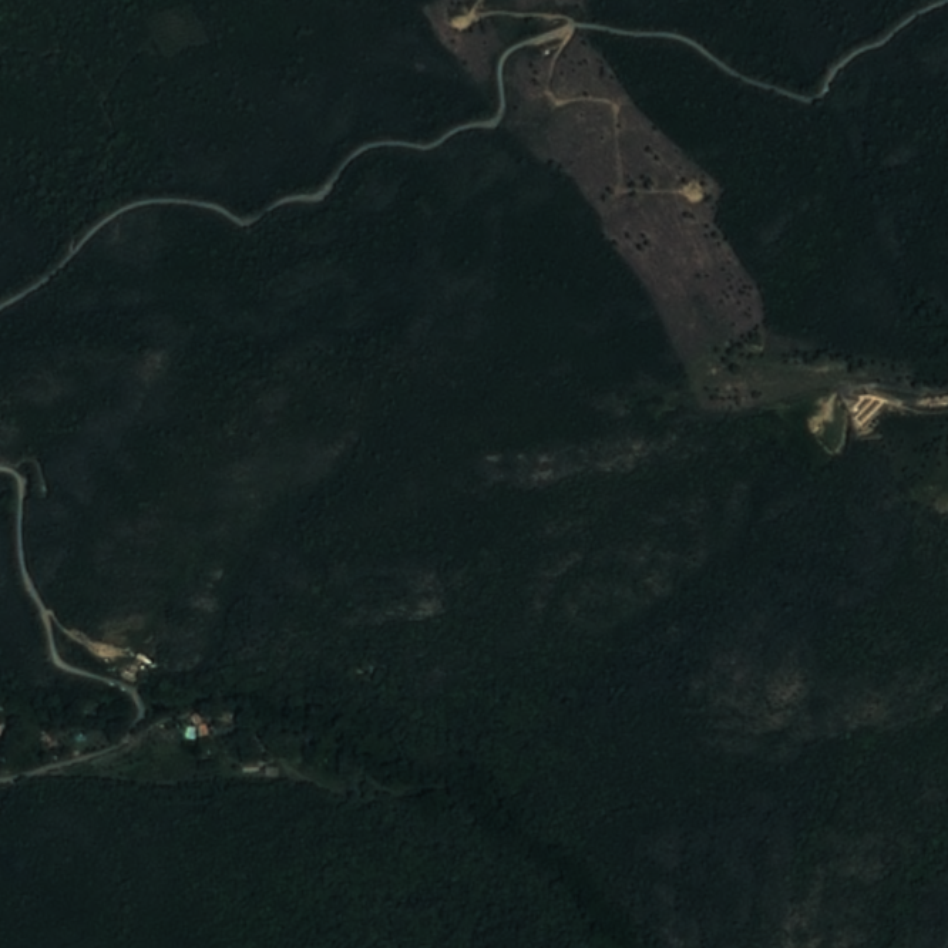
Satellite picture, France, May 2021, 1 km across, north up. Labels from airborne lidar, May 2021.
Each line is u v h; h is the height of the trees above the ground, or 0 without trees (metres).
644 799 9
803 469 7
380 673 10
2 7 7
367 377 8
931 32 8
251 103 10
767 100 7
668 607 7
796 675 0
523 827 15
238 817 10
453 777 23
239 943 8
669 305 0
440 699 9
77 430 7
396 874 12
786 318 7
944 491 0
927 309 11
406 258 6
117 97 6
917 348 7
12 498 14
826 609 5
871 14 7
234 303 6
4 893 6
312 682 7
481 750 10
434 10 0
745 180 7
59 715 19
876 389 0
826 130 8
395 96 6
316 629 6
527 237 6
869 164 7
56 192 9
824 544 6
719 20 7
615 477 5
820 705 5
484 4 0
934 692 7
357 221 7
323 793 12
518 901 8
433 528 7
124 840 8
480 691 8
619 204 0
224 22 10
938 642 7
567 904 11
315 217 8
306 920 11
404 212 6
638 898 7
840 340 5
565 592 8
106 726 11
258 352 7
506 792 15
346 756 16
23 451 8
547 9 0
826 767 6
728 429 6
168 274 5
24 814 7
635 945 18
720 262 0
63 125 7
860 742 9
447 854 7
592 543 6
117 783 10
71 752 9
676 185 0
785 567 7
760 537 6
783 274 7
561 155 0
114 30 6
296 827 10
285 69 13
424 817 12
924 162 6
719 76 7
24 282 7
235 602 8
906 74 6
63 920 7
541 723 13
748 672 0
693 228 0
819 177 6
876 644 7
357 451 11
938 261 6
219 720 11
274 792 10
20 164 12
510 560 8
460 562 6
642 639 6
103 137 10
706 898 7
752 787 7
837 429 0
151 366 0
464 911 12
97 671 9
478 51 0
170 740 0
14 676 10
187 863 7
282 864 9
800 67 6
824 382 0
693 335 0
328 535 6
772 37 6
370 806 11
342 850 11
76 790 8
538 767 9
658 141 0
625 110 0
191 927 6
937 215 7
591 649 6
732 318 0
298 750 13
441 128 8
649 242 8
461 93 6
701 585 8
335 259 8
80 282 6
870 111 7
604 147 0
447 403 6
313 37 5
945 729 6
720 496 5
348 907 13
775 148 6
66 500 5
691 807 8
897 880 11
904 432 0
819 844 5
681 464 5
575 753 7
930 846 11
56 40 9
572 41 0
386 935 14
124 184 8
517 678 9
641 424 7
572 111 0
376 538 8
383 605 6
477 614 6
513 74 0
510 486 7
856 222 7
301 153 6
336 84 6
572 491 7
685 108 7
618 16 7
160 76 12
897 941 9
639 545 6
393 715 6
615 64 6
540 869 12
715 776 6
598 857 8
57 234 8
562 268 5
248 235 6
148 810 6
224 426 10
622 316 6
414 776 19
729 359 6
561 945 11
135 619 0
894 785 8
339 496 7
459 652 7
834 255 8
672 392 0
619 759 6
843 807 7
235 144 6
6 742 14
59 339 8
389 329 8
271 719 14
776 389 0
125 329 5
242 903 8
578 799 7
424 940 14
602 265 6
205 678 16
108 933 6
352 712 11
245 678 16
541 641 5
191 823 7
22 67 7
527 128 0
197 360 7
